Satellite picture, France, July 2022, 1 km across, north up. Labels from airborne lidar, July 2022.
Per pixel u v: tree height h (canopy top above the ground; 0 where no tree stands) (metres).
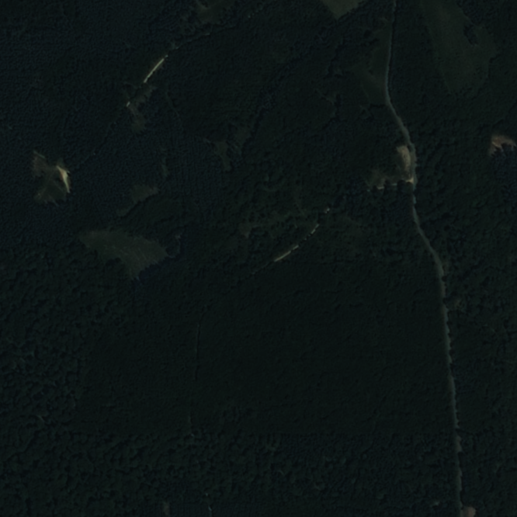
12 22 12
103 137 14
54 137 19
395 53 14
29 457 33
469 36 21
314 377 12
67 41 21
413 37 19
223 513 20
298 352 16
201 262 11
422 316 13
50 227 23
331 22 12
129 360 15
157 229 16
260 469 26
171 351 15
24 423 28
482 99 10
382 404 14
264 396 12
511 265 16
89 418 18
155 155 18
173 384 20
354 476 22
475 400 16
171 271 20
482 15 21
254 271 15
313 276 17
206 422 12
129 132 17
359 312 17
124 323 21
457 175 23
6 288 23
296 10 9
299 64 25
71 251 24
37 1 12
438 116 12
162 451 24
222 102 14
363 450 26
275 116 22
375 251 8
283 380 18
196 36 18
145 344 18
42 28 10
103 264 15
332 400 17
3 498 29
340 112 24
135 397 18
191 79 17
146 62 13
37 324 30
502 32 8
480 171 19
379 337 20
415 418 20
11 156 19
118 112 14
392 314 13
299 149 22
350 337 17
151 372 18
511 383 22
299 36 16
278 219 0
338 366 18
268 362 17
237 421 13
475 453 16
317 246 7
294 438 24
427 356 15
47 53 24
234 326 17
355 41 23
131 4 14
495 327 7
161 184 19
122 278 16
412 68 16
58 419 29
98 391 19
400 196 25
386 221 26
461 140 18
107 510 22
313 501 22
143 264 0
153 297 20
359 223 19
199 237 21
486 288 20
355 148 17
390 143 8
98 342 16
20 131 21
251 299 14
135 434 18
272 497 21
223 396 13
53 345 26
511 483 28
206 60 13
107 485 28
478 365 22
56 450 27
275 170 20
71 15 20
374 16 22
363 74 0
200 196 20
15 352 27
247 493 20
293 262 7
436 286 14
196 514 21
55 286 23
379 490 19
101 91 21
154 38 21
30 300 21
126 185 18
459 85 0
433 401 18
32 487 29
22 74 22
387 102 0
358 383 19
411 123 13
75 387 29
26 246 16
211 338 14
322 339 19
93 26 26
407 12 17
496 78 9
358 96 24
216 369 20
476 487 26
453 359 17
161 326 18
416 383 15
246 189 24
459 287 11
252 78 9
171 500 19
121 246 0
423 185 17
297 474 22
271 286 10
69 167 17
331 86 24
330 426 14
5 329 25
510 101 10
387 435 21
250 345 16
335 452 27
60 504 26
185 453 23
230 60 15
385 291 13
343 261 12
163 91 15
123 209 18
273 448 10
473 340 15
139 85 10
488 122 10
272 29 15
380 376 14
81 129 22
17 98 18
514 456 25
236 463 21
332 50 22
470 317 15
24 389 31
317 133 15
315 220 11
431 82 15
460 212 22
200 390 19
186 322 12
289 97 22
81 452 26
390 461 20
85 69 15
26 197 21
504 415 22
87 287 28
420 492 17
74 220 17
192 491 22
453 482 21
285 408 18
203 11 0
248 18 15
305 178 7
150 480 22
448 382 13
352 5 0
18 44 20
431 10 0
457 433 15
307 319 21
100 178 16
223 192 19
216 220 8
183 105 16
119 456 28
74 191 14
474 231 20
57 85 26
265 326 19
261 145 19
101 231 17
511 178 28
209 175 19
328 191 9
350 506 17
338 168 11
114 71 18
